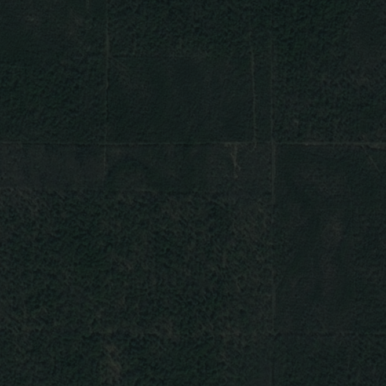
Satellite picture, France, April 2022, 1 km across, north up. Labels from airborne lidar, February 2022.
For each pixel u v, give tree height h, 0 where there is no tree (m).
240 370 13
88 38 15
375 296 10
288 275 8
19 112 19
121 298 16
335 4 22
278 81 15
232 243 19
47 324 19
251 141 8
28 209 14
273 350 17
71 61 18
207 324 22
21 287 18
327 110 18
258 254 13
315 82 10
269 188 10
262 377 18
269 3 17
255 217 15
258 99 10
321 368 9
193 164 12
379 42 7
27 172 9
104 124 13
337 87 22
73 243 23
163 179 11
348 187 8
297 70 19
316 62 17
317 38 22
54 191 7
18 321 20
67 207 20
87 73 18
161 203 18
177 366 10
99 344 22
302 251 8
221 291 17
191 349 16
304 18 19
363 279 12
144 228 17
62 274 25
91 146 11
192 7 16
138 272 22
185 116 12
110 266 20
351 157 12
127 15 19
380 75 13
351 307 6
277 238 18
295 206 8
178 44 20
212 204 13
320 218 9
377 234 11
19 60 17
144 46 14
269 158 8
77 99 21
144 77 9
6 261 18
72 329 20
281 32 17
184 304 20
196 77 6
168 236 22
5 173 7
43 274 18
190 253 17
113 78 9
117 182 11
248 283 12
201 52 19
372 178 9
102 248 13
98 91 8
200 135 12
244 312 8
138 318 14
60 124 14
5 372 17
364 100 15
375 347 16
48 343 19
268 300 13
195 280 11
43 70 18
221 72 8
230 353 14
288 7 17
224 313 19
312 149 8
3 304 8
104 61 12
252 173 10
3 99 19
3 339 18
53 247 17
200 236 19
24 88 21
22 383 20
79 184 10
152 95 10
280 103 14
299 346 18
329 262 6
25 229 18
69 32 12
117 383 20
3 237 13
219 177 7
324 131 12
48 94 18
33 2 9
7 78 17
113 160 10
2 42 11
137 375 22
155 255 20
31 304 18
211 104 8
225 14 18
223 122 6
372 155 11
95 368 24
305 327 12
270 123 10
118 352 13
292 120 14
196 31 17
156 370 19
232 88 8
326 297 7
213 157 8
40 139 8
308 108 18
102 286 21
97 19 19
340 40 9
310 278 7
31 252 20
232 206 9
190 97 6
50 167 8
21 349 18
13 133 18
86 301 21
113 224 20
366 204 12
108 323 14
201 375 19
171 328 19
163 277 21
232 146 7
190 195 20
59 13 11
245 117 9
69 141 9
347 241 9
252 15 18
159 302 16
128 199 16
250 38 20
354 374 19
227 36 18
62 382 17
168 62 9
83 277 21
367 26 7
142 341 22
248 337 17
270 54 19
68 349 22
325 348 15
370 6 17
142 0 13
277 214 15
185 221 21
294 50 21
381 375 14
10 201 11
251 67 7
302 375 16
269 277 13
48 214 12
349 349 16
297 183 10
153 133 7
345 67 17
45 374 17
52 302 14
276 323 10
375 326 6
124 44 10
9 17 7
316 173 9
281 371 17
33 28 9
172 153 10
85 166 10
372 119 16
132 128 10
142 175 8
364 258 13
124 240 14
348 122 14
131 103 9
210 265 23
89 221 21
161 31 18
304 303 8
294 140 12
